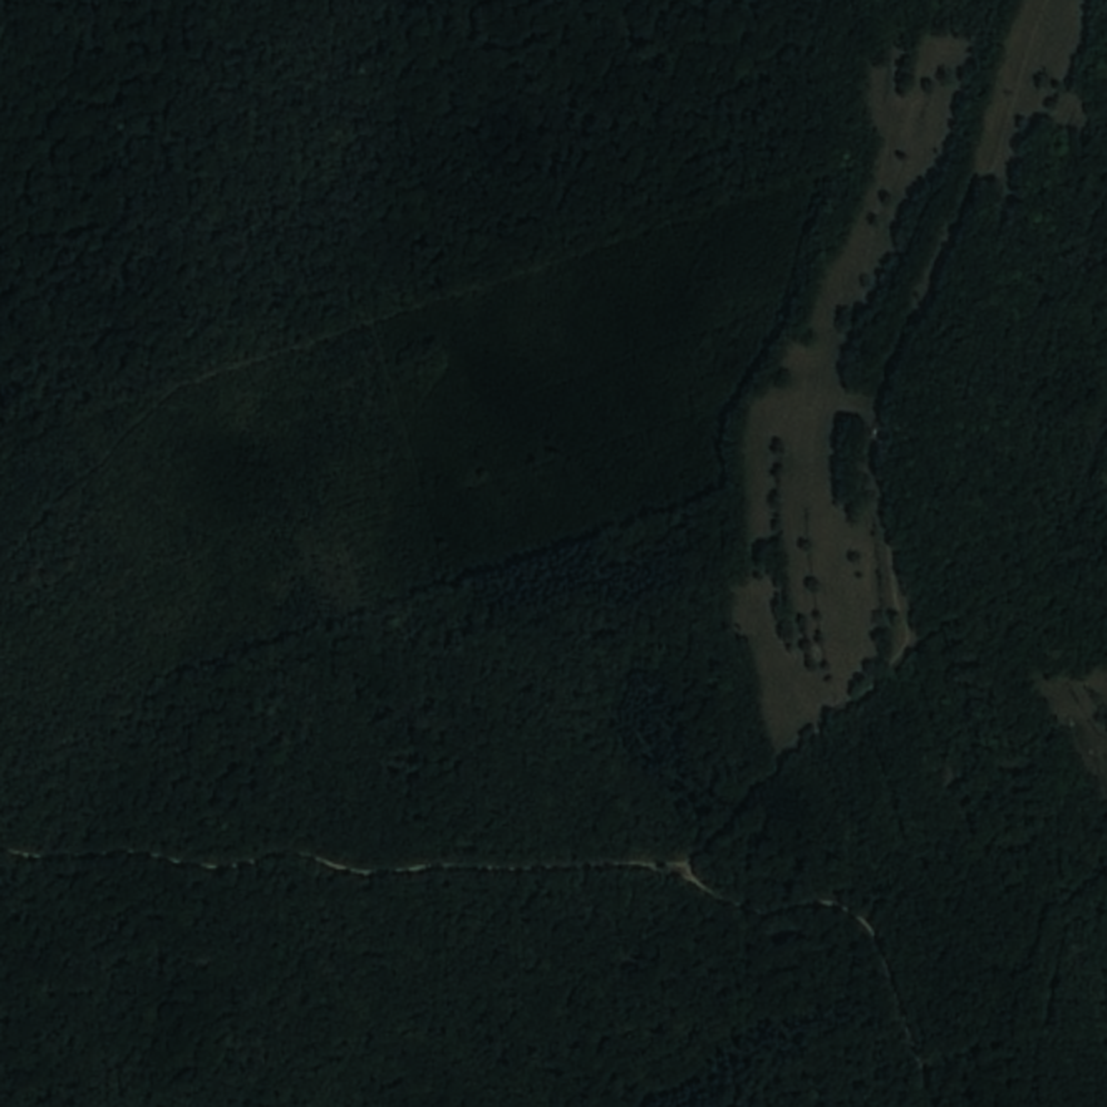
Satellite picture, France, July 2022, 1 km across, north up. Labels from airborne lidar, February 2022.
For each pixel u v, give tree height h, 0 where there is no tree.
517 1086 18
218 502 10
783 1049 10
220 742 17
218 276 18
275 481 6
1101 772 0
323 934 18
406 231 24
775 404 0
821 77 21
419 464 6
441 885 15
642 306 7
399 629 17
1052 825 16
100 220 23
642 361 7
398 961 18
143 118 20
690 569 14
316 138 16
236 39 17
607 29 24
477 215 27
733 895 18
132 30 20
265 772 14
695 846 14
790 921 20
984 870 18
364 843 16
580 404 7
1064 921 16
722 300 9
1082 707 0
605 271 6
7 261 23
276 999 13
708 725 20
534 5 28
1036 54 0
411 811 18
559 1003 17
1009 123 0
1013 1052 20
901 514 20
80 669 7
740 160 27
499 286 6
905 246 13
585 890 14
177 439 7
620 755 15
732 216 7
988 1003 14
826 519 0
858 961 11
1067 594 12
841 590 0
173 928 18
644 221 23
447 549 6
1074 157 10
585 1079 17
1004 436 20
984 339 20
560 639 18
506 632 13
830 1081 19
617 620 19
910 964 20
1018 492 18
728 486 19
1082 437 6
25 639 8
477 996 14
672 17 29
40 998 17
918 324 22
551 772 15
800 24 21
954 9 11
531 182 25
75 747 11
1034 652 16
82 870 15
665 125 27
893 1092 21
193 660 6
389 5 17
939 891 10
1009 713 10
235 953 17
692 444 9
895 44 7
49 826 15
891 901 19
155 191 20
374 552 6
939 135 0
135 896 19
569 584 23
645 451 7
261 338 14
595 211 24
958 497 22
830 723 16
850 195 20
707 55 22
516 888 16
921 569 16
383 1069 17
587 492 6
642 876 14
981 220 20
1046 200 19
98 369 16
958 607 19
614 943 17
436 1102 17
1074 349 15
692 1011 17
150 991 20
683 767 25
